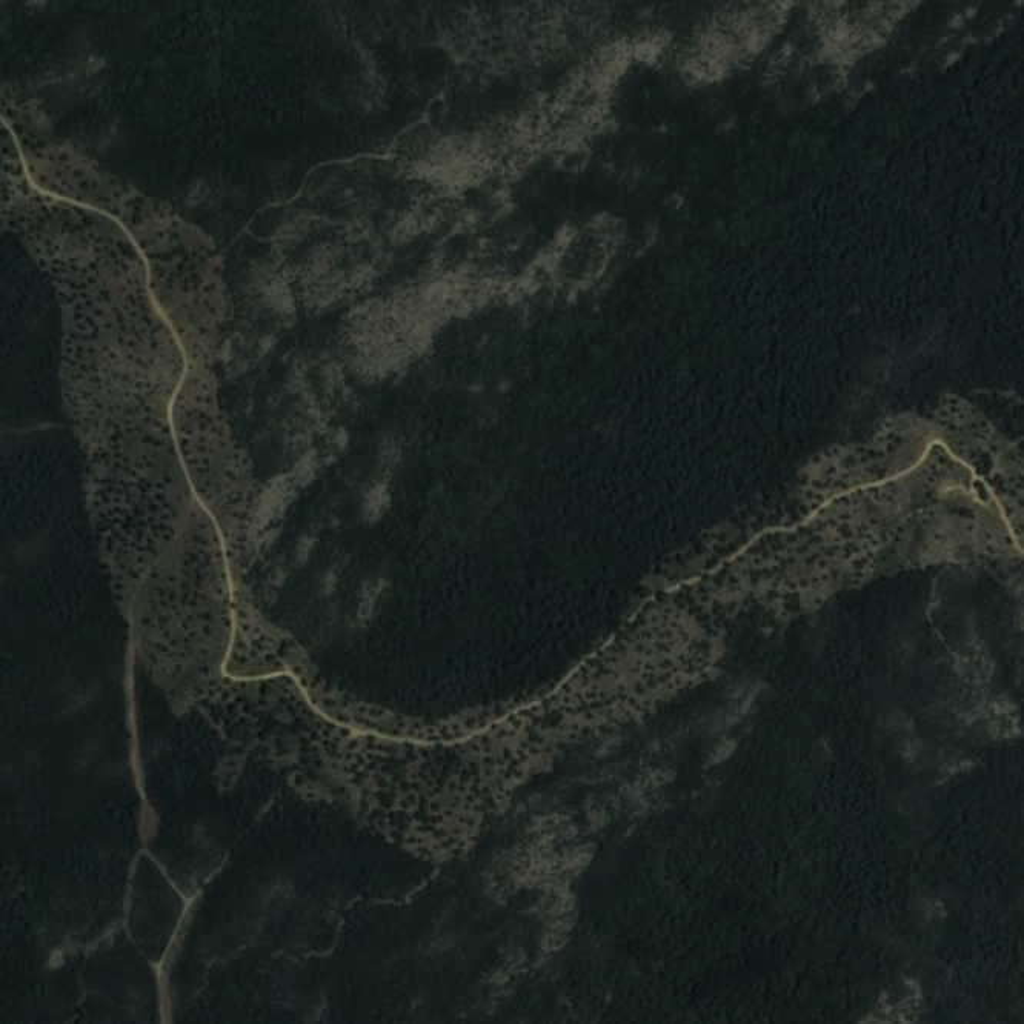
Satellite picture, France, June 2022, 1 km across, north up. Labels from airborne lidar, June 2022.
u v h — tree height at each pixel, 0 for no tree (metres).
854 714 9
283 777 8
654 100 8
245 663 9
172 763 7
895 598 11
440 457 8
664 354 8
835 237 19
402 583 9
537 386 11
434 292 0
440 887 8
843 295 14
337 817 10
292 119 9
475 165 0
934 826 9
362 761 6
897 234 17
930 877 12
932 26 8
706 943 16
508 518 9
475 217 0
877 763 15
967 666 0
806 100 7
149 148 6
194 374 0
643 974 7
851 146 13
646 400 11
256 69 9
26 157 0
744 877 15
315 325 8
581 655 10
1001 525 0
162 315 0
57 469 12
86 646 5
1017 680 7
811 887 12
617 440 7
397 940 6
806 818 12
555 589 9
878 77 5
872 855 19
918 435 0
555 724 5
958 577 0
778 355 16
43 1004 9
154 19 6
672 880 18
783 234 9
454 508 16
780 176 11
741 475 13
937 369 9
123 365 0
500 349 6
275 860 7
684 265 15
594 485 12
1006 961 13
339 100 5
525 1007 6
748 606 7
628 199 6
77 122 6
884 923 7
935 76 6
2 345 10
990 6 6
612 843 13
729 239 14
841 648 9
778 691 7
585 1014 18
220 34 12
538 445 9
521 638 9
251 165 9
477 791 6
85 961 8
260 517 0
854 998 13
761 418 17
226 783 5
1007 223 17
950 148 14
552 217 6
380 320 0
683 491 11
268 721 11
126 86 10
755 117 12
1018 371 9
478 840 6
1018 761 14
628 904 15
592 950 13
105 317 11
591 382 13
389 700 6
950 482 0
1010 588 0
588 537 7
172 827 13
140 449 0
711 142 9
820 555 6
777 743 9
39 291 11
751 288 11
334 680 15
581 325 13
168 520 10
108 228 0
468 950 7
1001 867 10
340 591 8
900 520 0
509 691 10
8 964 15
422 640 6
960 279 13
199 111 7
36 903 6
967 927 7
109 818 6
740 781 11
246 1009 7
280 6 9
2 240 7
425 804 9
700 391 18
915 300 16
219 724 11
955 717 7
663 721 6
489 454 19
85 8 10
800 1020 15
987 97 17
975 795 14
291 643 6
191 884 0
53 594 12
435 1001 6
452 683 14
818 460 6
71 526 9
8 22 13
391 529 9
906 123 9
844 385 10
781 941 17
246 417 7
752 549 6
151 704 6
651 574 14
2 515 12
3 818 8
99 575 12
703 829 10
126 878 6
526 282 0
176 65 10
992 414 9
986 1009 6
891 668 7
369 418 7
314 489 9
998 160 20
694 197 6
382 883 7
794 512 8
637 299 14
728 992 14
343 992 7
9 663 6
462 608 6
